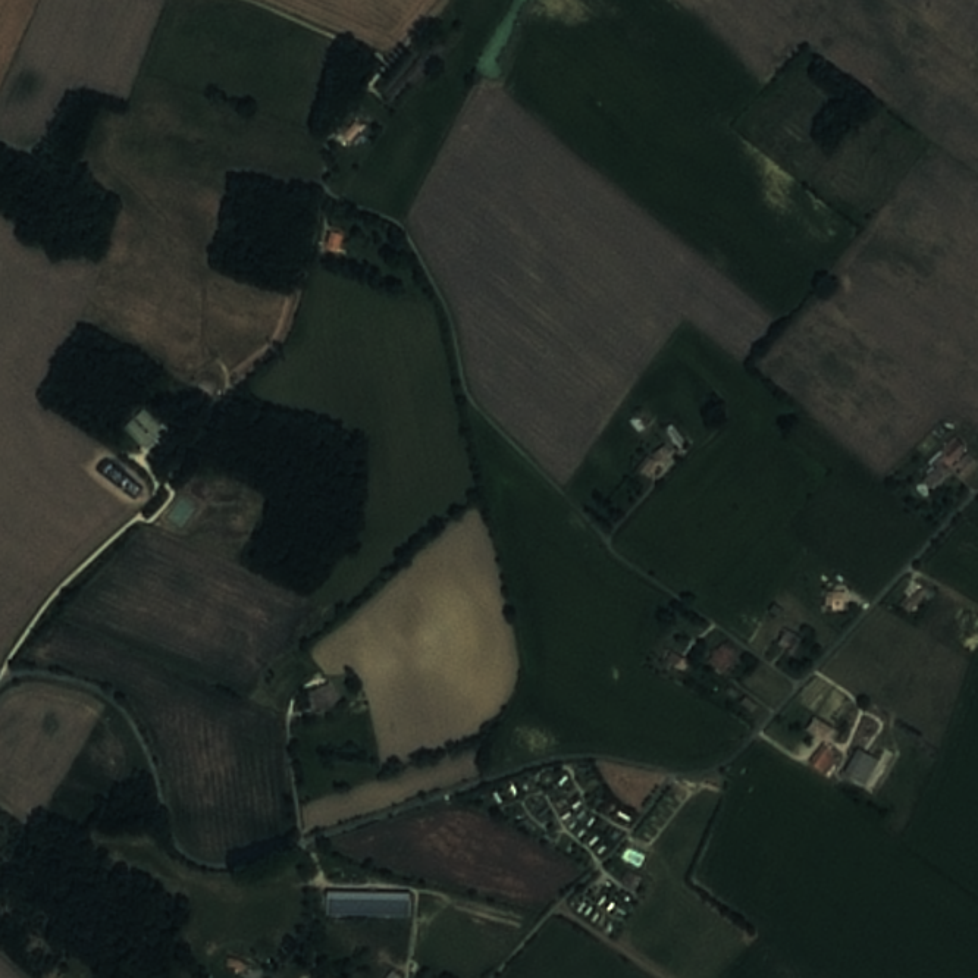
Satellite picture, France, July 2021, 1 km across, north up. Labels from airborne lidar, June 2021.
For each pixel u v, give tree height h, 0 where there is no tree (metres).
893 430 0
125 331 0
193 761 0
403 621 0
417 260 8
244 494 0
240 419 19
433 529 12
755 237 0
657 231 0
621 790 0
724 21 0
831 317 0
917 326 0
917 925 0
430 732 0
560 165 0
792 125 0
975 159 0
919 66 0
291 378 0
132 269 0
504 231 0
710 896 9
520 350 0
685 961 0
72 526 0
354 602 7
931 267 0
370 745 0
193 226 0
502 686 0
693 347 0
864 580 0
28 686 0
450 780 0
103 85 0
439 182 0
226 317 0
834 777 0
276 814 0
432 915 0
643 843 0
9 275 0
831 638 0
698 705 0
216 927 0
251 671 0
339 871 0
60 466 0
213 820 0
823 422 0
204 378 0
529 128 0
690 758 0
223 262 16
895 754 0
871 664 0
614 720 0
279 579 15
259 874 33
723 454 0
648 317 0
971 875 0
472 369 0
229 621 0
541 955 0
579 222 0
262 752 0
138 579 0
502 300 0
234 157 0
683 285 0
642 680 0
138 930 24
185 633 0
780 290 0
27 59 0
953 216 0
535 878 0
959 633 0
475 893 11
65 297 0
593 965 0
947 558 0
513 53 0
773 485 0
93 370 19
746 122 0
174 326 0
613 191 0
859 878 0
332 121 25
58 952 5
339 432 22
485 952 0
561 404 0
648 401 0
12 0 0
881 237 0
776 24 0
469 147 0
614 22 0
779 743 0
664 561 0
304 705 9
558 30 0
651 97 0
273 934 0
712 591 0
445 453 0
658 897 0
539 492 0
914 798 0
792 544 0
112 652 0
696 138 0
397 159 0
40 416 0
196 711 0
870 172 0
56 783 0
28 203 15
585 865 9
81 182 22
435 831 0
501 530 0
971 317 0
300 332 0
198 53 0
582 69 0
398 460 0
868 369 0
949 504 13
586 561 0
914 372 0
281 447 17
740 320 0
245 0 0
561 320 0
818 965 0
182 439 20
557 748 0
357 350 0
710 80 0
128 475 0
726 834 0
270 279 21
